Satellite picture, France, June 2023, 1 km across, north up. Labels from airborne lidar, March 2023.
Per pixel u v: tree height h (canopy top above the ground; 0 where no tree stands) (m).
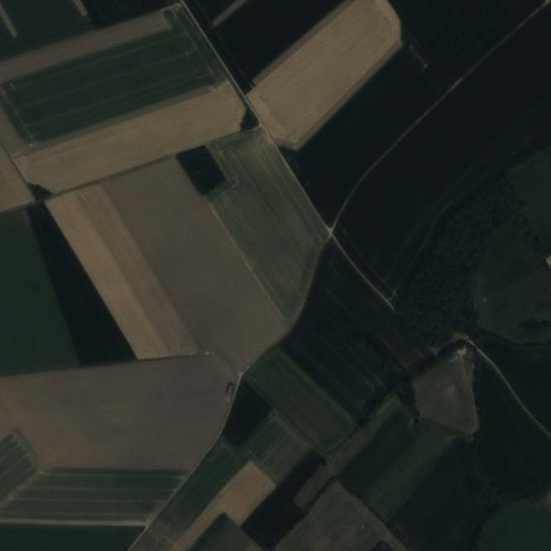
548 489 0
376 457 0
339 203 0
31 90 0
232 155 0
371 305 0
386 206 0
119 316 0
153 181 0
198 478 0
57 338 0
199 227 0
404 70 0
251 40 0
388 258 0
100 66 0
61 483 0
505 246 0
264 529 0
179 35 0
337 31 0
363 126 0
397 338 0
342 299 0
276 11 0
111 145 0
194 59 0
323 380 0
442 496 0
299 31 0
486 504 0
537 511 0
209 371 0
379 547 7
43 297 0
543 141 0
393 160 0
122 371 0
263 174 0
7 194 0
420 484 0
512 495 0
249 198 0
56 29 0
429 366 17
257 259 0
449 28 0
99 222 0
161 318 0
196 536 0
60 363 0
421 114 0
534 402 0
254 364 0
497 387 0
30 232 0
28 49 0
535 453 0
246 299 0
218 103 0
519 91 0
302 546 0
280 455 0
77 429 0
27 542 0
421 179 0
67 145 0
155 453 0
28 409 0
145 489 0
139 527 0
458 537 0
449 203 0
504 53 0
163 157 0
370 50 0
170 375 0
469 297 23
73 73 0
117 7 0
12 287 0
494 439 0
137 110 0
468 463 0
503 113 0
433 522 0
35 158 0
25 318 0
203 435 0
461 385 0
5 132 0
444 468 0
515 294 0
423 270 18
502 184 25
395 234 0
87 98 0
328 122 0
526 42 0
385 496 0
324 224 0
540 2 0
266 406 0
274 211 0
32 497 0
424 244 0
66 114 0
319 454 0
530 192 0
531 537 0
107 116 0
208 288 0
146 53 0
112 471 0
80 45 0
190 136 0
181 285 0
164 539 0
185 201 0
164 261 0
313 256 0
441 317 29
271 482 0
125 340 0
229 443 0
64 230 0
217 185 8
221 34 0
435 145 0
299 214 0
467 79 0
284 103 0
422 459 0
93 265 0
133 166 0
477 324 12
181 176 0
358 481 0
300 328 0
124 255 0
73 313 0
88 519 0
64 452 0
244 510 0
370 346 23
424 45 0
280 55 0
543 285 0
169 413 0
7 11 0
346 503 0
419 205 0
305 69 0
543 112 0
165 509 0
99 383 0
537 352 0
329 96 0
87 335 0
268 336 0
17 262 0
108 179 0
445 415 0
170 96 0
